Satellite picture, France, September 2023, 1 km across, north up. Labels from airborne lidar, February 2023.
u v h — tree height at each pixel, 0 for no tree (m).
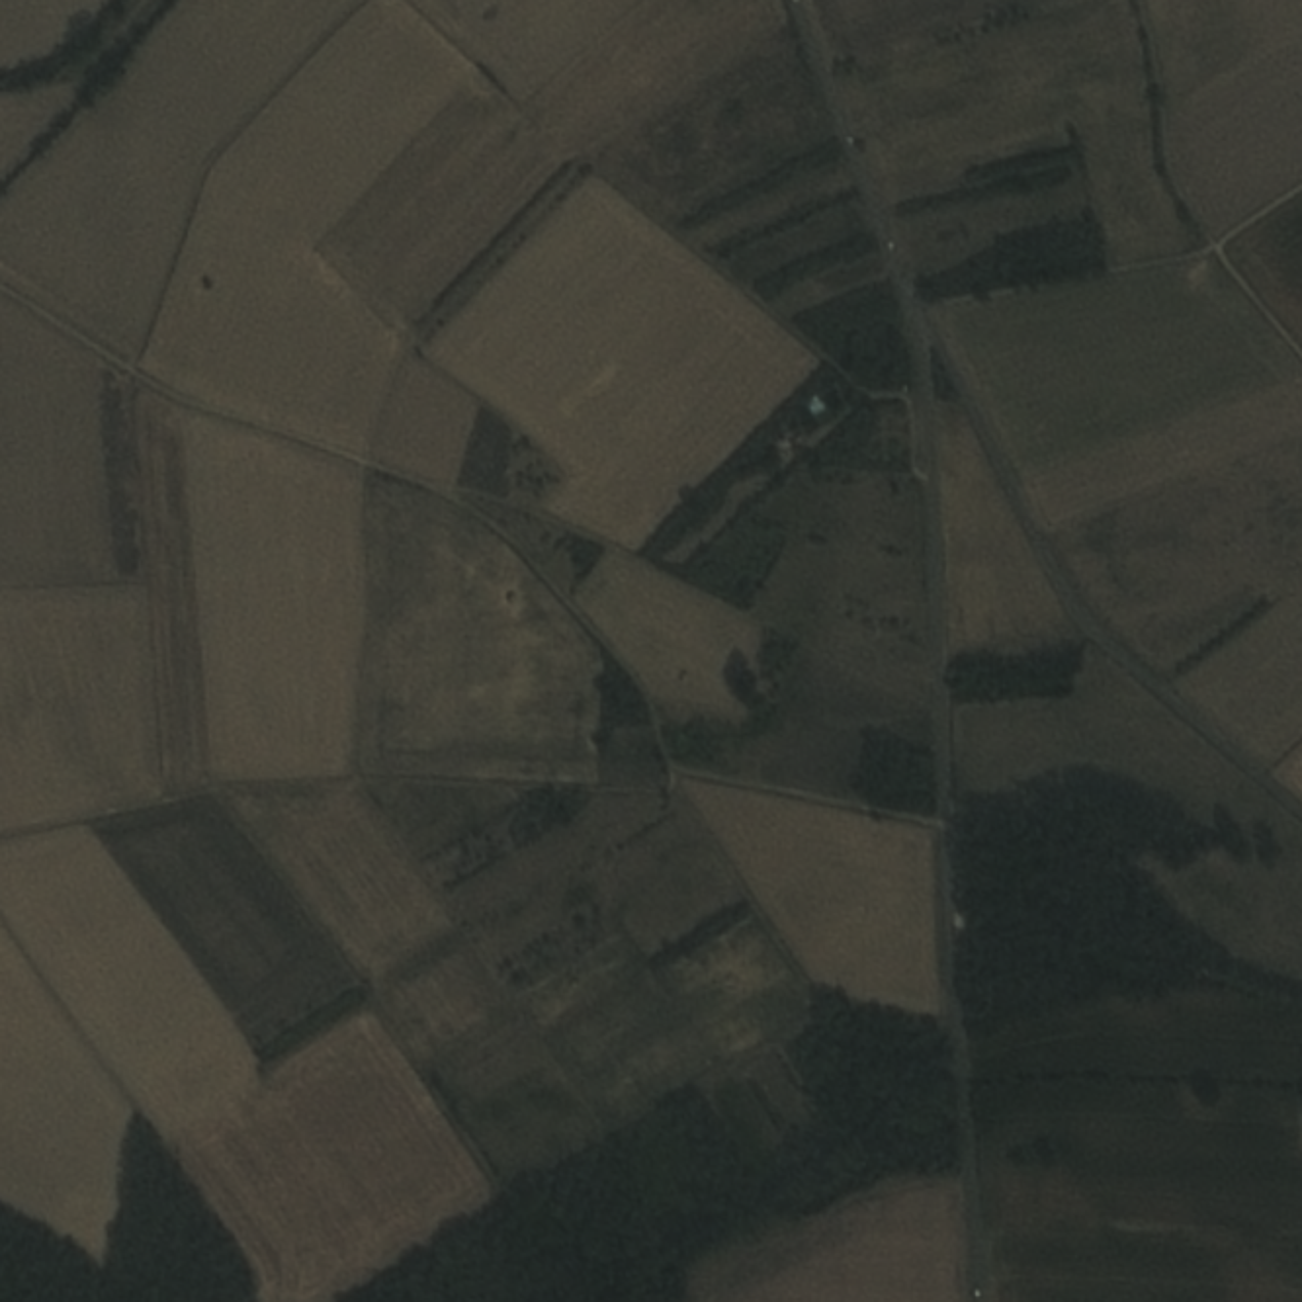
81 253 0
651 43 0
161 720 0
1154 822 25
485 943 0
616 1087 0
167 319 0
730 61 0
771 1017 0
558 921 0
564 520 0
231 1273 12
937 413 0
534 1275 23
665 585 0
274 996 0
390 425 0
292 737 0
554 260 0
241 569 0
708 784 0
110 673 0
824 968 0
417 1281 11
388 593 0
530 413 0
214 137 0
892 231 0
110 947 0
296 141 0
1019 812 19
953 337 0
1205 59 0
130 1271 12
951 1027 0
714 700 0
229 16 0
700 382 0
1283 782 0
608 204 0
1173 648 0
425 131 0
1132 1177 0
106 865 0
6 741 0
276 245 0
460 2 0
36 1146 0
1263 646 0
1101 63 0
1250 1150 0
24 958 0
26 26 0
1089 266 12
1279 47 0
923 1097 33
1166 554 0
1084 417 0
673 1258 23
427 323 0
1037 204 0
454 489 0
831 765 0
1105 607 0
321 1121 0
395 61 0
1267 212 0
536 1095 0
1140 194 0
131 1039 0
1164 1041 0
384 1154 0
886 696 0
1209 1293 0
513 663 0
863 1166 19
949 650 0
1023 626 0
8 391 0
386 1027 0
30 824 0
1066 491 0
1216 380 0
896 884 0
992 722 0
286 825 0
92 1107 0
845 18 0
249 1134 0
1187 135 0
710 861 0
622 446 0
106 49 0
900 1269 0
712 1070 0
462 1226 11
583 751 0
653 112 0
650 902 0
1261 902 0
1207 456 0
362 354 0
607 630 0
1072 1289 0
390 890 0
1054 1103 0
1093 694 0
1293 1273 0
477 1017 0
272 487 0
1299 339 0
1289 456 0
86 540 0
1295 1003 14
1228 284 0
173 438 0
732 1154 14
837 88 0
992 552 0
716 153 0
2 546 0
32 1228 14
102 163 0
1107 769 0
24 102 0
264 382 0
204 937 0
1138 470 0
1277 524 0
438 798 0
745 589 11
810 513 0
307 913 0
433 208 0
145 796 0
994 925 21
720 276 0
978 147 0
